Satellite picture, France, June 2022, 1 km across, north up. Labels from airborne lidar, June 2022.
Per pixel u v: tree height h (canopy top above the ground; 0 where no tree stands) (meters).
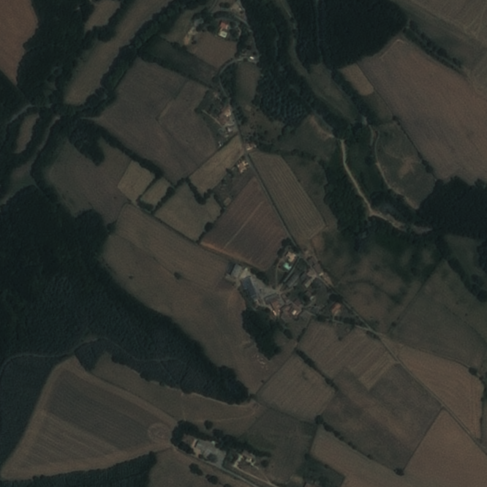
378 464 0
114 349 12
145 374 15
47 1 13
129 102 0
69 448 0
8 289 20
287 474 0
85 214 18
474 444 0
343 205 17
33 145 18
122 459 0
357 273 0
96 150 20
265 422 0
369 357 0
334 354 0
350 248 0
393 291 0
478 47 0
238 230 0
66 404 0
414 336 0
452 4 0
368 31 22
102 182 0
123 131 0
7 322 19
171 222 0
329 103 0
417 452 0
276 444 0
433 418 0
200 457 9
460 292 0
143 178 0
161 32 20
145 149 0
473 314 0
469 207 21
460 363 0
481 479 0
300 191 0
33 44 14
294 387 0
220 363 0
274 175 0
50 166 0
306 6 8
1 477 0
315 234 0
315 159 12
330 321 7
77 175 0
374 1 12
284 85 25
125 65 23
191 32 0
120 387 0
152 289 0
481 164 0
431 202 20
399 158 0
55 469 0
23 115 11
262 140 9
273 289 7
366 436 0
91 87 0
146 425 0
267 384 0
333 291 7
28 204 23
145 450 0
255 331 14
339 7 23
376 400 0
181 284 0
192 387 15
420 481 0
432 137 0
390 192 16
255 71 0
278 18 27
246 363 0
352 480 0
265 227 0
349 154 8
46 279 12
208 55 0
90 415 0
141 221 0
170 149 0
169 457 0
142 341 19
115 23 15
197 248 0
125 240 0
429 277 7
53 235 21
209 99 0
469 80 0
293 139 0
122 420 0
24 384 13
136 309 22
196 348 21
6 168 22
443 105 0
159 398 0
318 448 0
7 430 15
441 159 0
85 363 13
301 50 16
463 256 0
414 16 0
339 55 28
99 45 0
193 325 0
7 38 0
